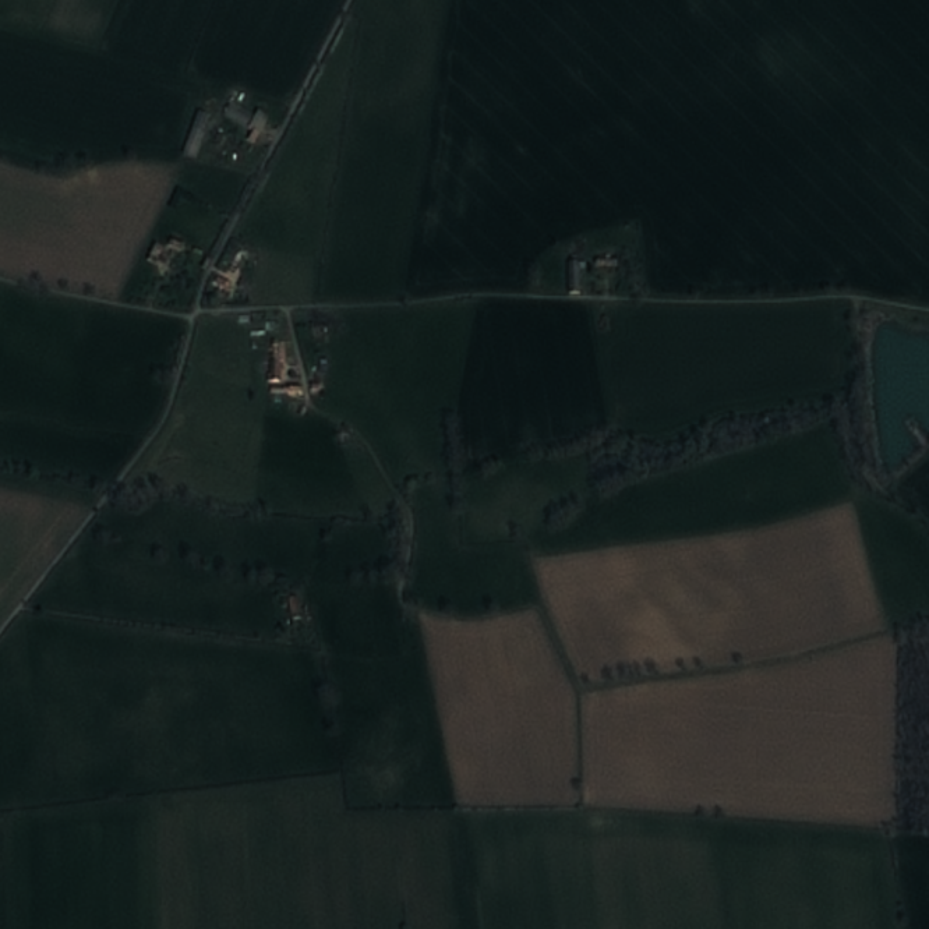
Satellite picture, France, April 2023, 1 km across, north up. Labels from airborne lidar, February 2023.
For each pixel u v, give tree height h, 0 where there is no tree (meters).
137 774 0
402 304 13
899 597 0
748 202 0
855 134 0
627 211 0
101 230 0
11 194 0
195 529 0
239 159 0
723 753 0
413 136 0
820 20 0
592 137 0
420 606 15
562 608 0
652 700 0
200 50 0
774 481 0
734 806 0
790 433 13
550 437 0
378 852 0
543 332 0
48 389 0
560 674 0
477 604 0
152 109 0
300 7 0
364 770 0
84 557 0
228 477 0
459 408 0
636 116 0
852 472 14
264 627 0
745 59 0
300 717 0
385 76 0
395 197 0
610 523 0
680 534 0
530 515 0
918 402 0
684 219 0
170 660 0
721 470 0
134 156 13
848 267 0
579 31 0
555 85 0
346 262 0
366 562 0
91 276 0
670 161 0
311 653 0
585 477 0
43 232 0
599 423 0
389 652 0
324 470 0
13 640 0
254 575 18
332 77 0
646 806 0
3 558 0
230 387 0
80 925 0
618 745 0
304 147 0
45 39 0
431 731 0
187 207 0
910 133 0
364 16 0
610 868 0
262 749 0
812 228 0
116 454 0
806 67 0
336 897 0
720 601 0
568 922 0
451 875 0
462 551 0
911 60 0
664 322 0
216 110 0
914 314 0
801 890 0
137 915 0
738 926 0
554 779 0
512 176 0
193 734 0
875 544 0
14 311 0
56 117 0
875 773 0
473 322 0
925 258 0
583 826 0
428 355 0
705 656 0
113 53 0
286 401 0
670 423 0
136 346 0
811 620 0
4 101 0
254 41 0
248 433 0
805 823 0
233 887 0
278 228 0
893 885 0
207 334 0
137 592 0
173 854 0
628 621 0
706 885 0
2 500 0
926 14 0
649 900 0
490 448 0
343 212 0
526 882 0
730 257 0
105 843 0
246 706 0
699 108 0
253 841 0
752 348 0
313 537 0
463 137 0
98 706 0
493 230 0
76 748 0
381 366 0
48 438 0
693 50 0
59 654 0
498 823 0
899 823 10
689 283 0
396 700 0
